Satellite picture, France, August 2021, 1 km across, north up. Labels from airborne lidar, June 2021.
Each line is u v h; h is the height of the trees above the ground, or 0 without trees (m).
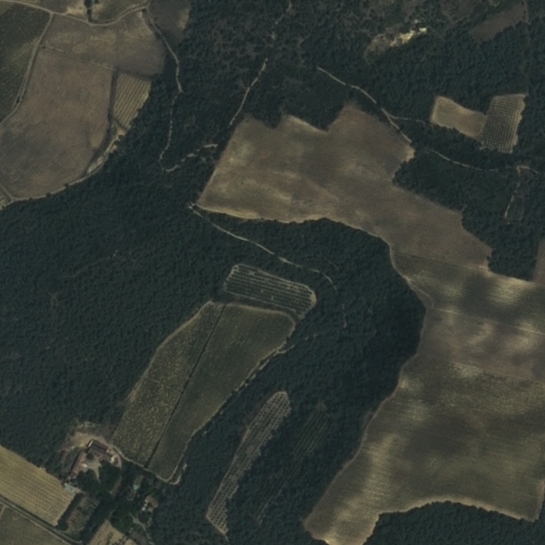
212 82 12
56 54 0
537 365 0
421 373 0
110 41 0
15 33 0
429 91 11
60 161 0
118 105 0
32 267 11
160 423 0
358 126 0
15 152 0
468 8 0
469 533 12
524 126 12
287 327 0
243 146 0
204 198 0
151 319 8
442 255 0
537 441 0
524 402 0
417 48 17
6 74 0
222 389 0
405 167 14
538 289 0
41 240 10
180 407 0
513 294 0
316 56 14
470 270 0
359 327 17
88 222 9
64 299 10
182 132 8
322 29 15
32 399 10
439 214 0
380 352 11
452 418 0
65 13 0
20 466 0
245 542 12
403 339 12
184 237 18
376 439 0
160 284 15
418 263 0
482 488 0
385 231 0
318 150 0
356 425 9
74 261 10
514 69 10
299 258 12
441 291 0
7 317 13
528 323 0
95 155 0
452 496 0
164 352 0
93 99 0
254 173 0
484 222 11
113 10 0
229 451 16
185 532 15
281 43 9
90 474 11
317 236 15
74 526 0
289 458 8
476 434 0
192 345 0
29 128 0
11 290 14
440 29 9
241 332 0
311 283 12
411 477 0
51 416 9
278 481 6
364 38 7
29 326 11
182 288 13
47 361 14
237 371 0
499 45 12
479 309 0
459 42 7
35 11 0
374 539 11
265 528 14
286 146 0
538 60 13
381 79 14
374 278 17
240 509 13
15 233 7
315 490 17
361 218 0
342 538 0
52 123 0
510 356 0
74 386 18
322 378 17
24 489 0
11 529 0
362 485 0
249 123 0
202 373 0
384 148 0
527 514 0
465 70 14
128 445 0
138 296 11
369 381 9
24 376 14
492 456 0
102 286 10
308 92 10
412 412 0
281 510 16
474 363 0
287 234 17
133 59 0
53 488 0
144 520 11
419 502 0
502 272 11
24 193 0
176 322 7
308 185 0
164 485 9
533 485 0
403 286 9
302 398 14
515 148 8
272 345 0
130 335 13
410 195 0
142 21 0
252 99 13
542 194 12
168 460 0
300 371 13
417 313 13
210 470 13
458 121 0
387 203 0
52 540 0
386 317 10
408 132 14
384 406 0
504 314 0
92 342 13
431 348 0
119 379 10
